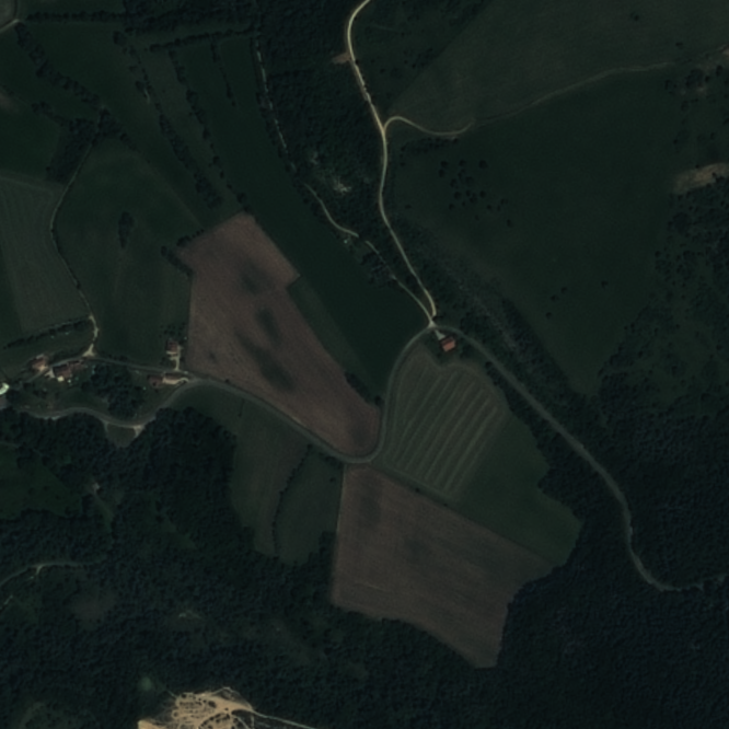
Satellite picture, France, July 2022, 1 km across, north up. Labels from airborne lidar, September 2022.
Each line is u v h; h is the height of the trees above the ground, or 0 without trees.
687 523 21
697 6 0
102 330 0
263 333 0
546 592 23
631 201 0
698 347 0
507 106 0
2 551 6
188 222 0
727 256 9
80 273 0
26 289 0
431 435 0
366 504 0
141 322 0
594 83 0
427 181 0
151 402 0
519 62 0
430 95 0
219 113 0
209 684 12
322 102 10
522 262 0
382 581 0
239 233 0
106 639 18
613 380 9
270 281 0
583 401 8
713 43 0
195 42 15
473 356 9
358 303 0
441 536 0
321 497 0
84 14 12
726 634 18
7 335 0
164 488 16
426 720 17
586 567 23
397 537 0
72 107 0
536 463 0
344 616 8
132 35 16
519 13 0
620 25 0
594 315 0
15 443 10
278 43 7
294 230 0
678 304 0
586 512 21
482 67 0
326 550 13
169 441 28
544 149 0
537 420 18
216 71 0
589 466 15
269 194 0
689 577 18
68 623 6
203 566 9
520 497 0
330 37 8
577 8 0
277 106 15
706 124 0
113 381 22
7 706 6
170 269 0
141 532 8
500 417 0
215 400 0
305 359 0
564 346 0
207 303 0
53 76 20
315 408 0
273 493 0
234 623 21
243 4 19
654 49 0
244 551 16
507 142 0
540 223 0
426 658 11
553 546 0
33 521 23
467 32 0
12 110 0
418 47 0
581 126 0
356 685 24
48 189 0
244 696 10
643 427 12
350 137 10
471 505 0
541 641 12
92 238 0
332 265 0
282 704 13
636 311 0
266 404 0
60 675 17
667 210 0
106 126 10
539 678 17
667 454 13
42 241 0
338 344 0
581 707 14
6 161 0
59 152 0
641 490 15
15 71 0
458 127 0
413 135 0
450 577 0
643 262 0
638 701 20
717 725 16
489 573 0
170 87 0
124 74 0
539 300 0
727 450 13
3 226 0
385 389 0
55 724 8
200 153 0
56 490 0
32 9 0
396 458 0
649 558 14
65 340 0
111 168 0
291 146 8
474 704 16
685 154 0
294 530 0
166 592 14
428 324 0
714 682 19
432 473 0
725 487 17
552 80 0
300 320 0
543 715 18
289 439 0
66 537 17
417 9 6
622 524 13
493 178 0
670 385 0
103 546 19
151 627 16
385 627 10
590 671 13
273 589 18
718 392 6
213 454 10
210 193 16
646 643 23
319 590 13
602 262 0
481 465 0
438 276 7
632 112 0
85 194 0
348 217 6
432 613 0
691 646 22
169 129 18
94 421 10
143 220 0
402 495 0
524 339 15
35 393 8
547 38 0
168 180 0
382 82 0
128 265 0
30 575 6
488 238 0
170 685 11
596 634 18
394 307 0
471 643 0
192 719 0
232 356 0
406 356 0
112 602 0
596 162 0
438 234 0
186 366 0
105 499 7
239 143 0
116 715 21
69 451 6
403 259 11
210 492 13
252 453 0
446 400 0
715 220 6
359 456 0
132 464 23
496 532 0
